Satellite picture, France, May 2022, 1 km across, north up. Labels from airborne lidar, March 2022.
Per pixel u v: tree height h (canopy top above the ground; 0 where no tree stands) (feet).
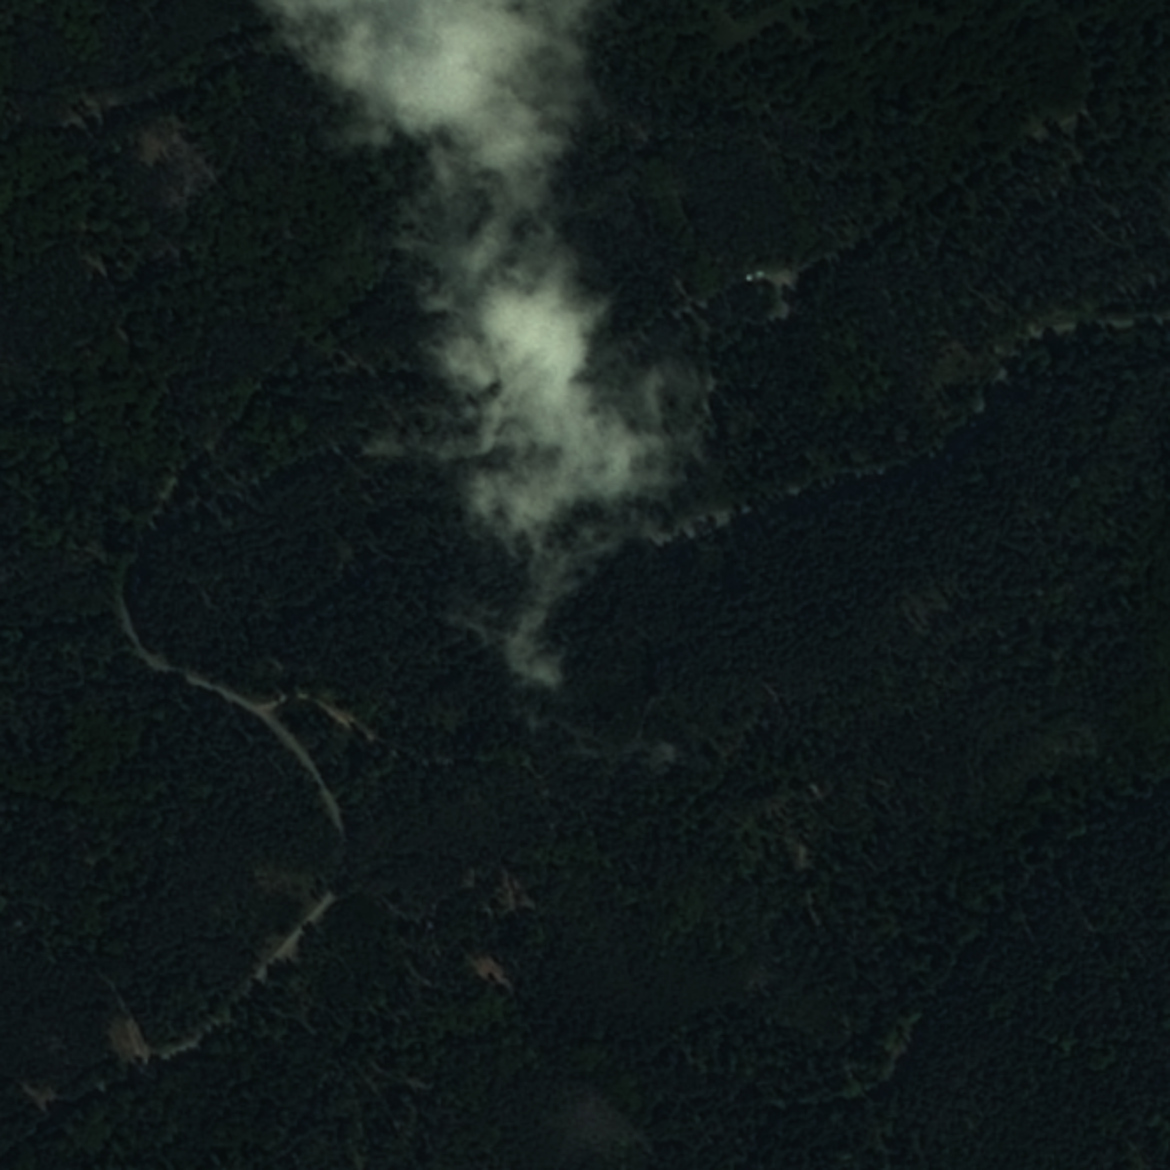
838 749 98
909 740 78
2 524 107
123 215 96
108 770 79
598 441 20
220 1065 65
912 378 89
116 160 90
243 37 77
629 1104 92
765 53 24
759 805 51
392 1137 90
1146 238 71
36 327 79
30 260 79
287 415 80
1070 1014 72
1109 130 52
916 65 51
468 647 103
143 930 84
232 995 59
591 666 92
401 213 87
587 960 69
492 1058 92
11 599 74
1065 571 114
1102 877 77
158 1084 69
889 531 91
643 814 92
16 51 85
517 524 108
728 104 50
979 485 75
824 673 74
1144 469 117
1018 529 82
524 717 86
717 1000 86
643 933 92
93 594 92
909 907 24
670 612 77
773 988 76
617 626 94
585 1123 81
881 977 116
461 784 70
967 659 87
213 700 62
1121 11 78
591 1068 98
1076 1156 43
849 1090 78
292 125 89
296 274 83
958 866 56
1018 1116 44
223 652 101
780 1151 53
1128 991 71
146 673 59
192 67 69
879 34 41
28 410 61
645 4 65
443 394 84
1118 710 56
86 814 83
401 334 93
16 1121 74
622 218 81
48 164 83
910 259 98
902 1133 73
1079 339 31
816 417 86
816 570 100
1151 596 64
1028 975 50
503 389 59
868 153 80
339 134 89
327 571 102
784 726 89
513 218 91
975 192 94
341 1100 92
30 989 71
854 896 128
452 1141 87
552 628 99
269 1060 44
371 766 88
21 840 89
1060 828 97
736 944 63
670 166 77
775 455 96
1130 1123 85
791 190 70
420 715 99
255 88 92
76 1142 60
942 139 64
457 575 106
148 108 85
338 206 87
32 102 82
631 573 92
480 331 89
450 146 100
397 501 87
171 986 61
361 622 94
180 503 68
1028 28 62
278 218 79
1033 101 65
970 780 89
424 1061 112
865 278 90
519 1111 77
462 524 80
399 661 93
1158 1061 54
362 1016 22
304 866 67
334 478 92
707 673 69
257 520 96
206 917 78
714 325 86
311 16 72
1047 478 82
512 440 102
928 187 73
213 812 74
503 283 95
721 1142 111
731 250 74
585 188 89
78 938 72
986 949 70
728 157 85
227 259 94
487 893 92
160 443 50
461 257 85
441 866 79
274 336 78
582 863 74
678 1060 118
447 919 74
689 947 88
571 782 77
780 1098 82
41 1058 76
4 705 92
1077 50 80
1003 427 80
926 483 94
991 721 61
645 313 80
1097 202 96
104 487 74
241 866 75
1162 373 113
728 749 93
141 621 108
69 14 73
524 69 96
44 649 95
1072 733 49
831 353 82
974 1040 62
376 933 25
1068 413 91
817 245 70
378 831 74
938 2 45
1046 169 106
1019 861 22
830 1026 91
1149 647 62
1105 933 72
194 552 105
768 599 93
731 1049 111
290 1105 42
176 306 96
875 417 94
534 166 74
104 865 109
